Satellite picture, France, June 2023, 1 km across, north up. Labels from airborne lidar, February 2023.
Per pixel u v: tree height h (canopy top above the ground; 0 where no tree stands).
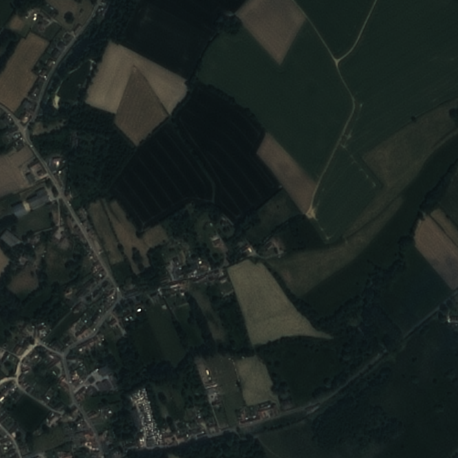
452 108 0
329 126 0
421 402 0
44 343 0
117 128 6
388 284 16
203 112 0
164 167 0
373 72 0
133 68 0
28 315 0
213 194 0
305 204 0
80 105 8
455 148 0
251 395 0
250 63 0
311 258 0
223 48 0
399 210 0
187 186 0
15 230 13
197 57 0
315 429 13
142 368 11
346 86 0
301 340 11
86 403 0
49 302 9
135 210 0
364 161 0
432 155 0
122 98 0
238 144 0
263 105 0
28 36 0
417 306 0
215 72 0
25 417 0
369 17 0
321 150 0
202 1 0
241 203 0
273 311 0
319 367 0
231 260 13
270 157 0
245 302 0
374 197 0
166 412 0
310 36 0
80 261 14
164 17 0
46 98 0
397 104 0
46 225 0
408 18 0
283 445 0
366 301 17
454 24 0
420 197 0
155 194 0
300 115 0
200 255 17
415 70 0
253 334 0
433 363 0
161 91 0
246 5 0
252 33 0
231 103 8
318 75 0
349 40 0
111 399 0
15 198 0
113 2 14
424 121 0
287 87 0
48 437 0
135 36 0
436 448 0
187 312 0
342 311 18
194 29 0
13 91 0
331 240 0
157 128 6
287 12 0
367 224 0
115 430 16
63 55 0
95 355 19
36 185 0
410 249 0
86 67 0
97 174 16
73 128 11
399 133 0
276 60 0
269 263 0
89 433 0
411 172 0
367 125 0
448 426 0
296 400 0
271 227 0
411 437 0
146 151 0
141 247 0
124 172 0
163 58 0
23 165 0
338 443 16
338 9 0
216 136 0
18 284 0
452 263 0
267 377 0
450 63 0
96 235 0
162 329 0
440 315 12
